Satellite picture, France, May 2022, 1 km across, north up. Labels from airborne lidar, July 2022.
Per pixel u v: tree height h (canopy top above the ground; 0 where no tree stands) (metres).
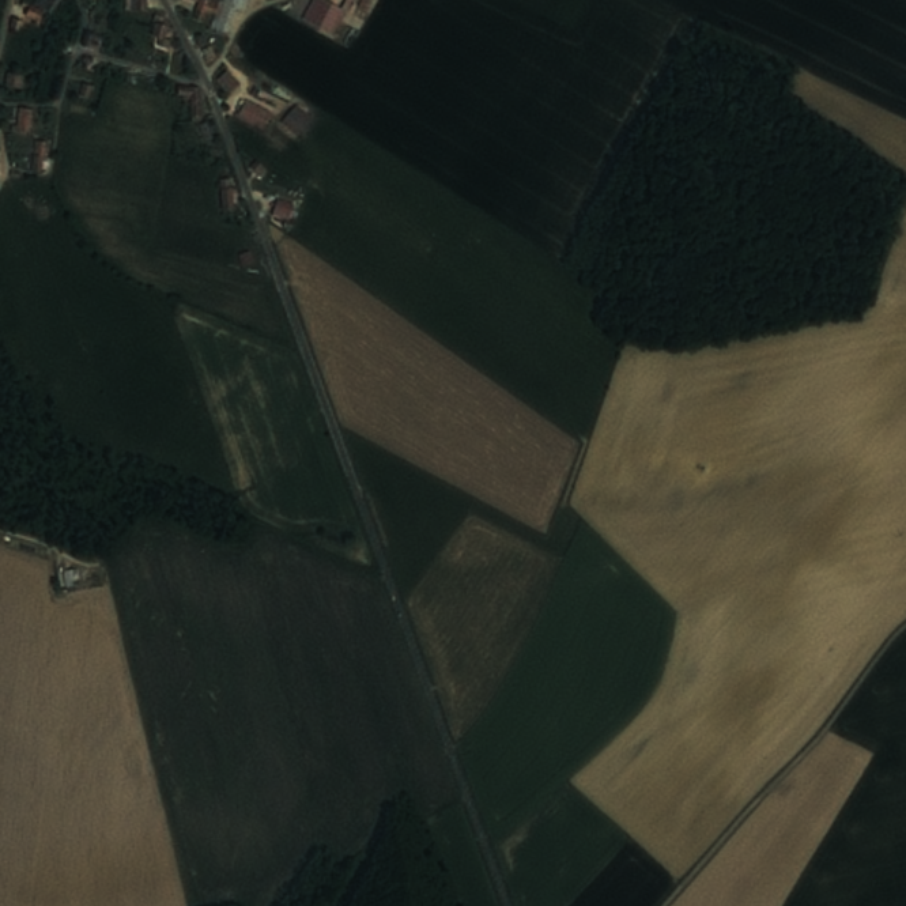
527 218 0
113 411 0
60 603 0
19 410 7
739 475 0
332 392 0
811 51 0
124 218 0
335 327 0
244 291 0
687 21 0
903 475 0
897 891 0
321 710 0
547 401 0
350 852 0
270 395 0
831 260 21
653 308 27
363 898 23
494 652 0
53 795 0
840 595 0
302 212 0
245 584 0
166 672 0
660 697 0
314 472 0
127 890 0
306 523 0
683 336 23
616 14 0
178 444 0
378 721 0
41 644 0
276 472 0
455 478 0
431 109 0
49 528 20
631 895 0
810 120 19
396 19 0
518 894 0
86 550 24
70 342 0
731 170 28
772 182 29
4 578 0
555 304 0
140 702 0
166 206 0
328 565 0
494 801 0
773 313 17
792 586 0
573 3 0
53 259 0
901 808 0
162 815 0
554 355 0
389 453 0
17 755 0
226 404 0
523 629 0
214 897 0
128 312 0
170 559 0
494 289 0
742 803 0
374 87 0
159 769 0
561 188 0
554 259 0
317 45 0
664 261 28
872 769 0
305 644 0
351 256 0
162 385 0
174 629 0
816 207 25
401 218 0
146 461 8
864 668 0
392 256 0
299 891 22
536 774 0
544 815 0
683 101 28
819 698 0
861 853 0
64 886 0
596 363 0
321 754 0
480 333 0
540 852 0
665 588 0
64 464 28
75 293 0
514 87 0
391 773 0
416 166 0
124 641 0
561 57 0
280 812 0
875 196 21
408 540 0
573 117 0
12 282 0
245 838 0
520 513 0
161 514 6
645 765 0
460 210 0
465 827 0
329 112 0
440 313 0
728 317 23
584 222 18
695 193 31
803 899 0
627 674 0
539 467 0
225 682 0
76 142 0
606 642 0
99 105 7
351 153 0
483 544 0
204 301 0
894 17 0
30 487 11
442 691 0
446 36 0
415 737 0
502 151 0
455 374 0
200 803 0
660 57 0
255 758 0
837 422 0
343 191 0
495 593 0
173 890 0
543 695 0
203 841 0
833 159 19
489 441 0
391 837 21
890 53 0
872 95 0
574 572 0
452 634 0
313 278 0
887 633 0
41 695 0
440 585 0
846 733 0
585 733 0
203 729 0
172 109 0
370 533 0
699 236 32
